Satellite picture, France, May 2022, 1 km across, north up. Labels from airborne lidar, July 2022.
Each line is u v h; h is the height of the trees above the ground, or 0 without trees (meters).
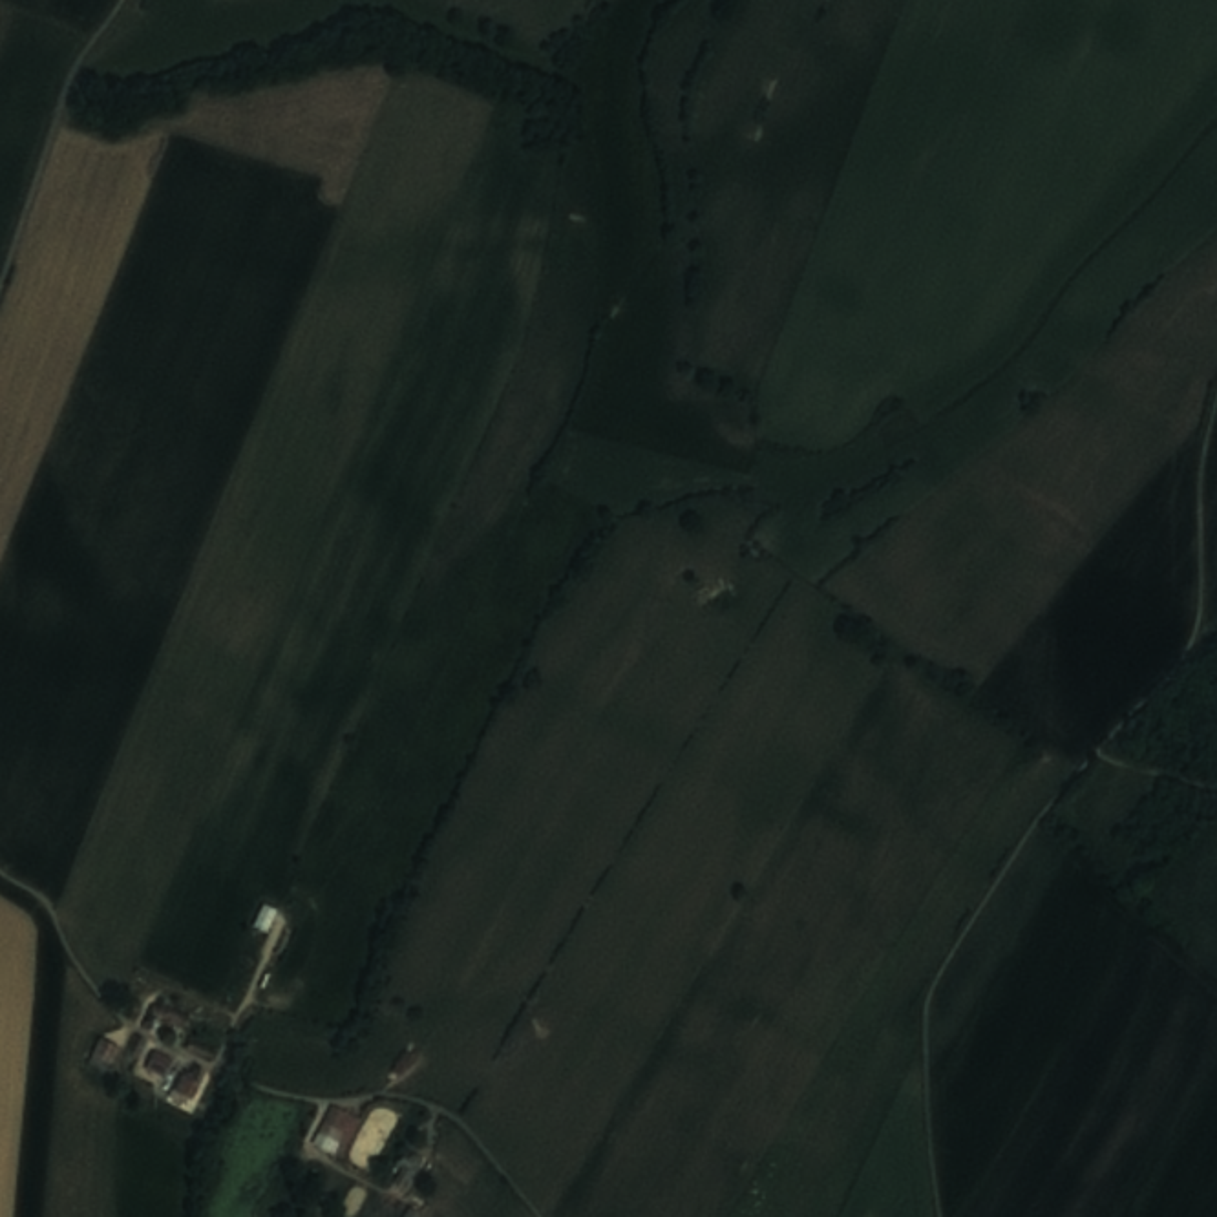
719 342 0
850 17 0
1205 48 0
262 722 0
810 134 0
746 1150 0
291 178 0
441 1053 0
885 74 0
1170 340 0
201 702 0
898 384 0
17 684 0
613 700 0
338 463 0
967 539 0
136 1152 0
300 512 0
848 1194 0
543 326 0
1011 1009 0
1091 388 0
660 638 0
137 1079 0
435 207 0
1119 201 0
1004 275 0
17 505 0
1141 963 0
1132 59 0
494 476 0
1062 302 0
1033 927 0
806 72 0
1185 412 0
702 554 0
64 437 0
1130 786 0
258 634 0
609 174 0
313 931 0
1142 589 0
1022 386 0
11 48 0
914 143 0
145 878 0
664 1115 0
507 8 0
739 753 0
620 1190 0
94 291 0
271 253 0
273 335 0
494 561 0
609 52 0
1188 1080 0
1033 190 0
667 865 0
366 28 19
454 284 0
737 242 0
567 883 0
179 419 0
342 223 0
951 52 0
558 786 0
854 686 0
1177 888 0
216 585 0
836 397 0
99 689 0
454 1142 0
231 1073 15
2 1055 0
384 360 0
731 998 0
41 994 0
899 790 0
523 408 0
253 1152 0
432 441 0
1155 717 7
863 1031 0
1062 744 0
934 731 0
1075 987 0
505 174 0
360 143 0
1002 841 0
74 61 0
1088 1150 0
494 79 17
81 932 0
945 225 0
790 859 0
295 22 0
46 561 0
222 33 0
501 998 0
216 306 0
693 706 0
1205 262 0
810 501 0
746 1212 0
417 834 0
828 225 0
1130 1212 0
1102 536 0
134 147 0
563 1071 0
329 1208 14
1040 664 0
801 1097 0
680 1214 0
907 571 0
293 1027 0
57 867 0
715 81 0
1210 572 0
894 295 0
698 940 0
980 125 0
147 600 0
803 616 0
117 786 0
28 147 0
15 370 0
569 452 0
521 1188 0
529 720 0
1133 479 0
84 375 0
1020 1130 0
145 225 0
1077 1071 0
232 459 0
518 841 0
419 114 0
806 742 0
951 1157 0
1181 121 0
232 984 0
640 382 0
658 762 0
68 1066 0
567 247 0
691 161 0
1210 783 15
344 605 0
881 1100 0
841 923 0
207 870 0
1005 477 0
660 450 0
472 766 9
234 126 0
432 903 0
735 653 0
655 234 0
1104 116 0
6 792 0
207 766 0
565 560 0
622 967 0
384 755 0
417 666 0
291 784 0
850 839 0
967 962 0
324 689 0
